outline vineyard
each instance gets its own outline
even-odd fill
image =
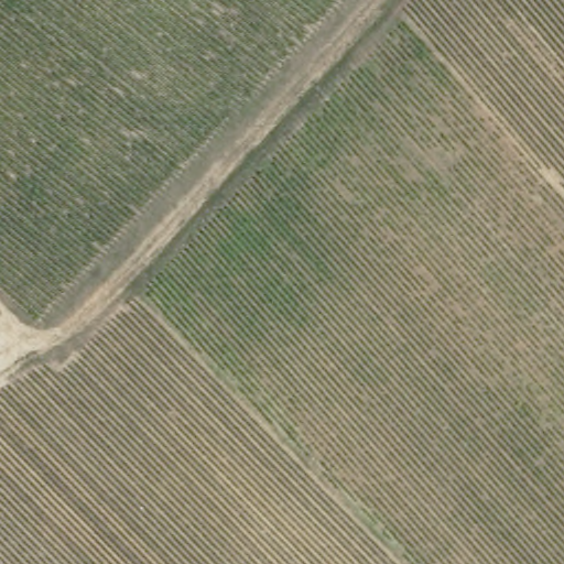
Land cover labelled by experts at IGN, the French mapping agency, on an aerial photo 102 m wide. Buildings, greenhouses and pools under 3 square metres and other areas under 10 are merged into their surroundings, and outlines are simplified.
[[[187,223],[181,225],[174,238],[152,258],[152,262],[137,278],[132,278],[126,291],[119,297],[110,300],[110,304],[106,304],[93,322],[88,322],[82,330],[73,333],[62,344],[42,353],[26,353],[24,357],[7,366],[4,370],[9,379],[7,386],[0,388],[0,564],[564,564],[564,0],[375,0],[379,4],[379,15],[370,24],[366,24],[366,29],[348,44],[344,55],[322,75],[322,79],[313,82],[313,86],[300,97],[300,101],[293,108],[286,110],[286,115],[262,139],[262,143],[256,145],[242,159],[242,163],[220,183],[220,187],[207,196],[203,207]]]
[[[104,245],[119,231],[119,227],[132,216],[134,207],[143,205],[150,192],[159,189],[161,183],[170,178],[170,174],[176,170],[176,165],[185,161],[209,137],[214,128],[220,126],[223,119],[229,117],[231,97],[236,93],[251,95],[253,86],[262,79],[262,75],[280,57],[286,55],[286,48],[293,46],[291,37],[304,37],[306,24],[317,22],[333,0],[0,0],[0,300],[22,324],[31,326],[46,308],[46,304],[62,293],[62,284],[71,282],[82,267],[90,262],[90,258],[95,256],[93,242]]]

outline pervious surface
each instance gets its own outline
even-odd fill
[[[262,139],[286,115],[286,110],[293,108],[300,101],[300,97],[313,86],[313,82],[322,79],[322,75],[344,55],[348,44],[366,29],[366,24],[370,24],[379,15],[379,4],[375,0],[359,0],[344,20],[344,24],[322,46],[317,46],[311,53],[306,68],[289,75],[289,82],[275,93],[275,97],[267,101],[260,115],[242,132],[238,132],[236,141],[227,143],[218,161],[209,165],[209,170],[178,200],[178,205],[163,216],[163,220],[137,245],[137,249],[121,262],[121,267],[93,291],[93,295],[88,295],[57,326],[46,330],[31,326],[22,324],[0,300],[0,388],[7,386],[9,379],[4,370],[7,366],[24,357],[26,353],[42,353],[62,344],[73,333],[82,330],[88,322],[93,322],[106,304],[110,304],[110,300],[119,297],[126,291],[132,278],[137,278],[152,262],[152,258],[174,238],[181,225],[187,223],[203,207],[207,196],[220,187],[220,183],[242,163],[242,159],[256,145],[262,143]]]

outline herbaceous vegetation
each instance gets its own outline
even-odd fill
[[[293,46],[286,48],[286,55],[280,57],[262,75],[262,79],[253,86],[251,95],[236,93],[231,97],[229,117],[223,119],[220,126],[214,128],[209,137],[185,161],[176,165],[176,170],[170,174],[170,178],[161,183],[159,189],[150,192],[143,205],[134,207],[132,216],[119,227],[119,231],[104,245],[93,242],[95,256],[90,258],[90,262],[82,267],[71,282],[62,284],[62,293],[46,304],[46,308],[31,326],[46,330],[57,326],[88,295],[93,295],[93,291],[121,267],[121,262],[137,249],[137,245],[163,220],[163,216],[178,205],[178,200],[209,170],[209,165],[218,161],[227,143],[236,141],[238,132],[242,132],[260,115],[267,101],[275,97],[275,93],[289,82],[289,75],[306,68],[311,53],[317,46],[322,46],[344,24],[344,20],[359,0],[333,0],[317,22],[306,24],[304,37],[291,37]]]

